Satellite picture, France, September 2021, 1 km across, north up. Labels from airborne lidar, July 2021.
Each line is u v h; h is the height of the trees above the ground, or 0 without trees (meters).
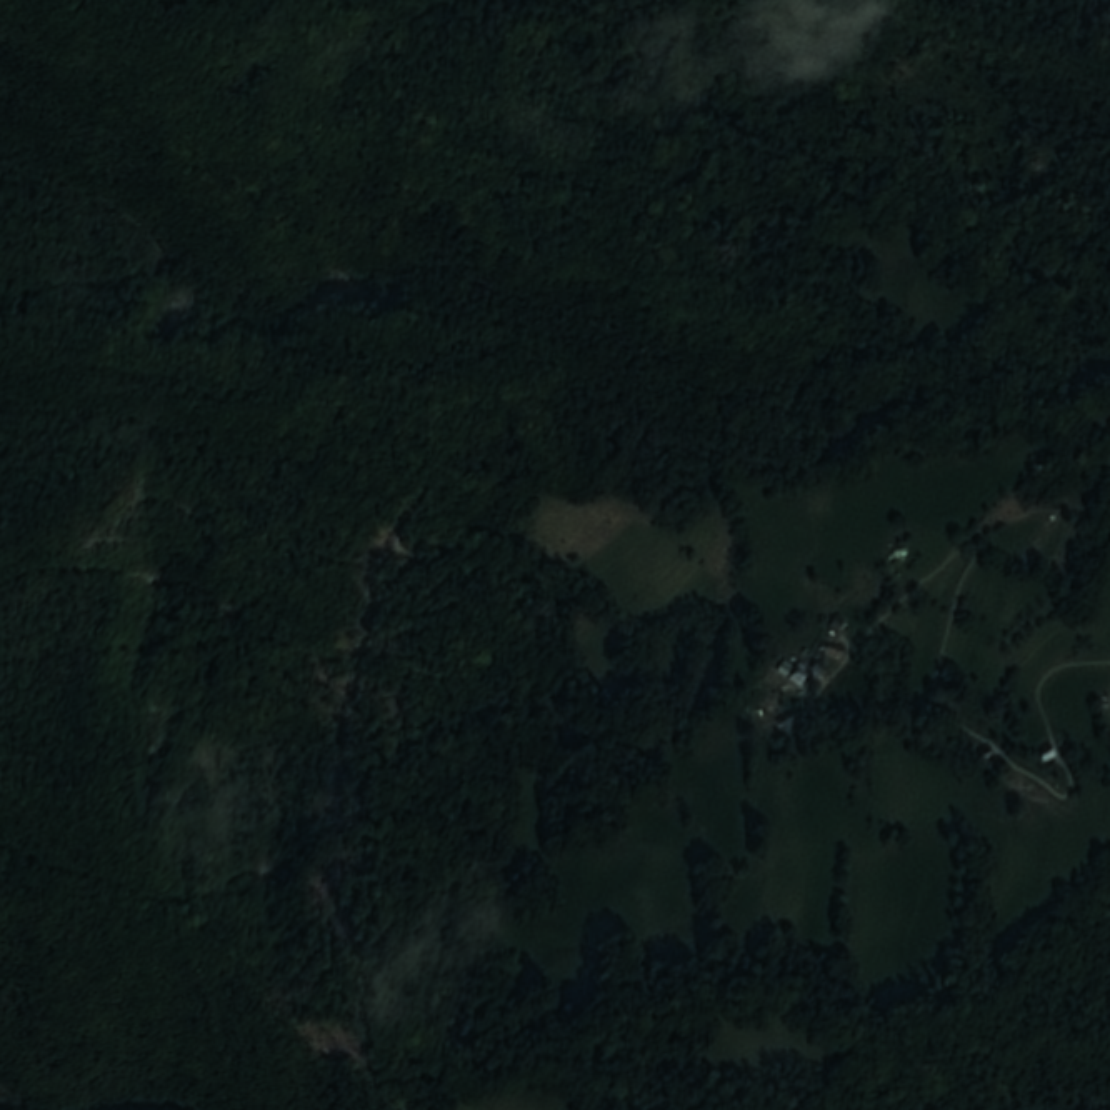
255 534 14
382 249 25
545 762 26
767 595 0
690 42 20
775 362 24
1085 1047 23
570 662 29
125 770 22
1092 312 21
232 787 9
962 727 7
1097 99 19
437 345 23
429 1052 24
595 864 0
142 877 17
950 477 0
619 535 0
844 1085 24
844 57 32
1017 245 26
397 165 23
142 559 10
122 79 18
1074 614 21
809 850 0
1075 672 0
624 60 24
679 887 0
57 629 16
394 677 21
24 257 13
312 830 30
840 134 27
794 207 22
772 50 21
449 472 25
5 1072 22
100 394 19
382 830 35
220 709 22
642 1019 29
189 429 23
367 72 30
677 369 23
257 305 17
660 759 15
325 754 18
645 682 18
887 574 7
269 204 35
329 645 21
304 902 31
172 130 24
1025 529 0
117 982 20
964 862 17
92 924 17
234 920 19
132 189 20
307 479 21
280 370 25
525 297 24
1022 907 0
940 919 0
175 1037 21
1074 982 30
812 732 25
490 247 24
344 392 20
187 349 18
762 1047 0
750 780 10
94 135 23
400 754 21
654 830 0
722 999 23
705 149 33
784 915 0
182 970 22
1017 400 34
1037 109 24
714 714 25
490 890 30
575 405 27
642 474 22
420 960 11
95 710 25
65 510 17
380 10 15
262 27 23
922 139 12
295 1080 24
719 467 27
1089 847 0
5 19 20
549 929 0
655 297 14
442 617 20
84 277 15
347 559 20
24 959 15
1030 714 9
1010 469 0
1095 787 0
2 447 20
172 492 11
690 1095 29
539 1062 26
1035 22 16
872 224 21
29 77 19
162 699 12
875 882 0
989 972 14
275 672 25
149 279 26
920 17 20
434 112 22
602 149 34
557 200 30
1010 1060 27
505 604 22
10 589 11
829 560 0
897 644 20
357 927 23
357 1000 18
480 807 30
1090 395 30
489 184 23
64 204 20
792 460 24
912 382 28
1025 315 26
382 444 27
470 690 22
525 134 28
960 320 0
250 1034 26
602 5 29
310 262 20
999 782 16
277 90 23
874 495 0
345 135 19
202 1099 20
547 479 31
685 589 0
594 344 23
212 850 18
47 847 20
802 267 23
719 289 25
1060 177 14
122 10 20
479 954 30
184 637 33
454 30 27
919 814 0
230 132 24
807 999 24
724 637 24
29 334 12
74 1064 22
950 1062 25
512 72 27
